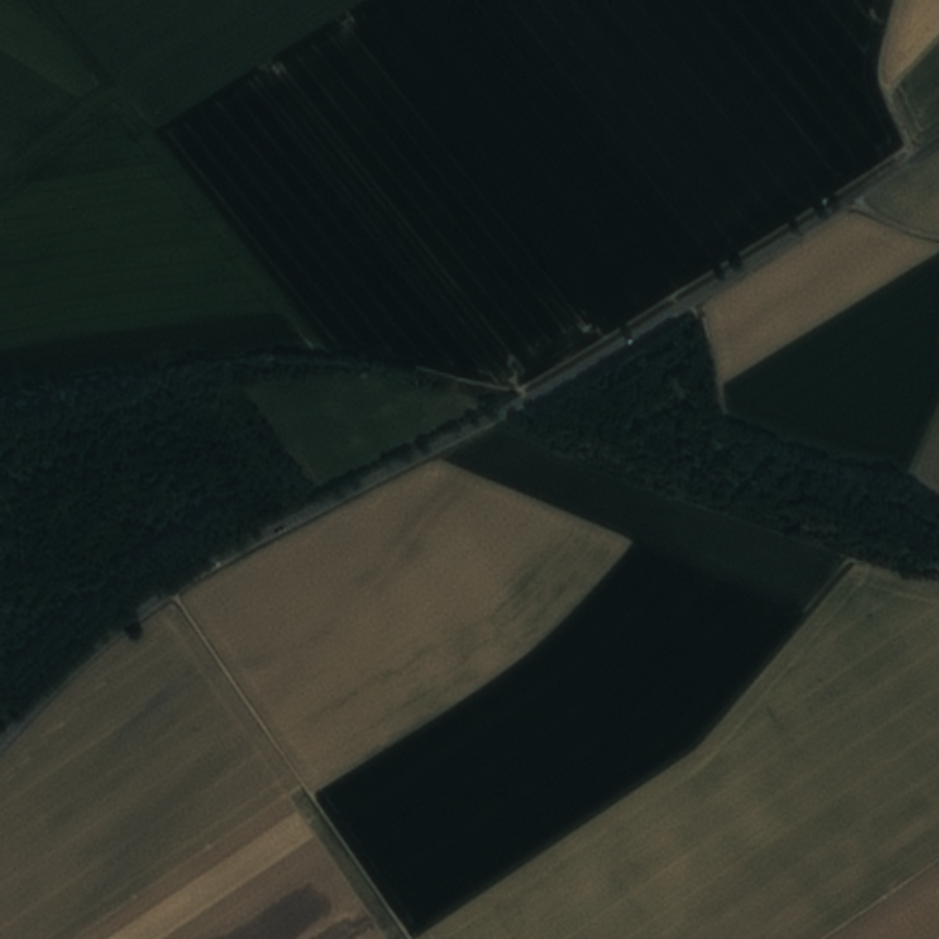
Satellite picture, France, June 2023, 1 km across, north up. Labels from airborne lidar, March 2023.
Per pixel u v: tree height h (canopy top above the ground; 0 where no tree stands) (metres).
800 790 0
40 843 0
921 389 0
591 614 0
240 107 0
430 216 0
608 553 0
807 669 0
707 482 17
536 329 0
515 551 0
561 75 0
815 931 0
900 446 0
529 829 0
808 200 0
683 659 0
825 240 0
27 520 15
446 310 0
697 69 0
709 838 0
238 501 16
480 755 0
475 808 0
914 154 0
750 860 0
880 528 14
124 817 0
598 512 0
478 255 0
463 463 0
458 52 0
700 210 0
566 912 0
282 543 0
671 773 0
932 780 0
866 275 0
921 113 0
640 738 0
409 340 0
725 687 0
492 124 0
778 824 0
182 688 0
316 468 0
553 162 0
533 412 14
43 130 0
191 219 0
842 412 0
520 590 0
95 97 0
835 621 0
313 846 0
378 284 0
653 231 0
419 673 0
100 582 20
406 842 0
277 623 0
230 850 0
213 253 0
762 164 0
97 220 0
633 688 0
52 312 0
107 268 0
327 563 0
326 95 0
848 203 0
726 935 0
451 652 0
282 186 0
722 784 0
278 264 0
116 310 0
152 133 0
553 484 0
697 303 0
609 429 18
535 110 0
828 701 0
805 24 0
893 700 0
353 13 0
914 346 0
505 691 0
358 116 0
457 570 0
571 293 0
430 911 0
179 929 0
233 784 0
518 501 0
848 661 0
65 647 33
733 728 0
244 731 0
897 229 0
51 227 0
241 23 0
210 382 18
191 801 0
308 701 0
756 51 0
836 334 0
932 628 0
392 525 0
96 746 0
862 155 0
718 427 17
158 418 15
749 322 0
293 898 0
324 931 0
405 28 0
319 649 0
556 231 0
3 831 0
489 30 0
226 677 0
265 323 0
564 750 0
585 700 0
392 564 0
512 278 0
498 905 0
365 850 0
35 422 18
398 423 0
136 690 0
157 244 0
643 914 0
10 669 32
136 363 0
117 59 0
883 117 0
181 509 11
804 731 0
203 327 0
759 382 0
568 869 0
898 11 0
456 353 0
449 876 0
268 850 0
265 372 19
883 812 0
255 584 0
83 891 0
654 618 0
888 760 0
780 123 0
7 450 31
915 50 0
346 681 0
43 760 0
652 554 0
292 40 0
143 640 0
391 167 0
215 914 0
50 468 14
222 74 0
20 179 0
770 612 0
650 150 0
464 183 0
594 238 0
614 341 0
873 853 0
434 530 0
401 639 0
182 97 0
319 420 0
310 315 0
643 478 7
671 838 0
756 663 0
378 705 0
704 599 0
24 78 0
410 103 0
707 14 0
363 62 0
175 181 0
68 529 15
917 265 0
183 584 0
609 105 0
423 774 0
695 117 0
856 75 0
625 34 0
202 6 0
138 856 0
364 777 0
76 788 0
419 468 0
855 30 0
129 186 0
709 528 0
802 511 11
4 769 0
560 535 0
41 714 0
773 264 0
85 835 0
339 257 0
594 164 0
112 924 0
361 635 0
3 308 0
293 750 0
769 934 0
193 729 0
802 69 0
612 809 0
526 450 0
